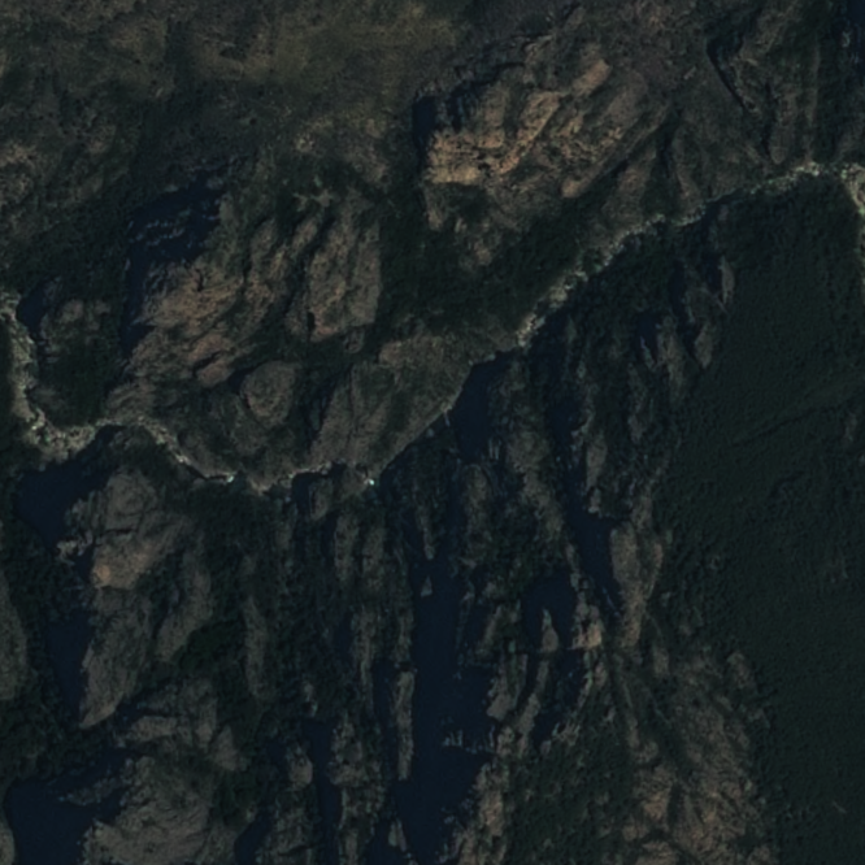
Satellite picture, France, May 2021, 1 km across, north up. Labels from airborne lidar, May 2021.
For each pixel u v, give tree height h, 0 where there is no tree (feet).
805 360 69
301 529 30
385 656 22
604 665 31
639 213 21
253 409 94
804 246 55
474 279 27
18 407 0
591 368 33
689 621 24
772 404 71
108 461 18
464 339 38
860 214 55
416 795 60
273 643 25
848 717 58
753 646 69
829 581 40
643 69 70
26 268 36
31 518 20
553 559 45
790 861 72
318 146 59
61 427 33
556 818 63
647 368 24
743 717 19
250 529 24
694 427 48
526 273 33
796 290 55
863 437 61
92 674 0
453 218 38
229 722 32
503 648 45
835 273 73
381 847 36
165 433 0
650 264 54
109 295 22
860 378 34
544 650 25
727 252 32
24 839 40
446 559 23
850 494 49
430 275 28
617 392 36
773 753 85
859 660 43
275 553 35
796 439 75
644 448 44
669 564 35
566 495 44
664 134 27
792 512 50
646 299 39
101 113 38
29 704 69
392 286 30
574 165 23
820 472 26
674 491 59
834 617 45
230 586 39
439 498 26
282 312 30
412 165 22
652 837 20
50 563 28
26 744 43
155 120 48
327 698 24
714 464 64
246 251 28
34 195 55
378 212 24
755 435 48
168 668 77
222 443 19
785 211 19
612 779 51
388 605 19
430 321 36
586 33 24
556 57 19
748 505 64
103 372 35
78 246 57
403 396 25
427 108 47
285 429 42
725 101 19
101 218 60
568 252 46
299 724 60
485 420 58
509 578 38
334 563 23
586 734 45
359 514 28
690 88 56
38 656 88
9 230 40
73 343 31
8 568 48
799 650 58
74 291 22
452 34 0
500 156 40
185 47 45
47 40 39
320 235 30
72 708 23
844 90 20
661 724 44
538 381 47
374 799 31
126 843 0
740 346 78
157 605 33
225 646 48
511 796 71
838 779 59
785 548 45
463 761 44
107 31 43
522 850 60
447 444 24
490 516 31
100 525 19
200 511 20
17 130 39
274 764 34
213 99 43
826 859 68
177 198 43
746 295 70
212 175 31
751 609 68
